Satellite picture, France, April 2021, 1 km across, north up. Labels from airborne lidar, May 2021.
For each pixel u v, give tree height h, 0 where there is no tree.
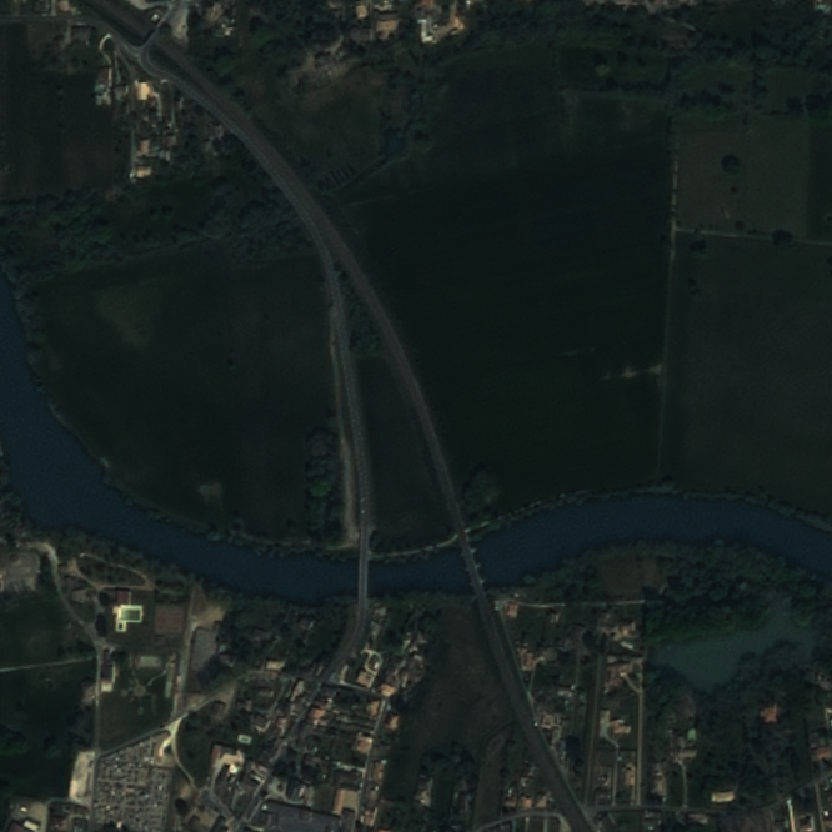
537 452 0
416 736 0
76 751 9
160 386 0
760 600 22
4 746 17
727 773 6
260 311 0
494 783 0
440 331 0
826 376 0
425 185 0
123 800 0
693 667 0
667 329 0
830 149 0
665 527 0
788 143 0
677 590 21
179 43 0
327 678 0
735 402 0
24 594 20
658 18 9
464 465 0
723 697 19
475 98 0
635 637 0
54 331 0
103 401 0
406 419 0
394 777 0
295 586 0
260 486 0
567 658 8
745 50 21
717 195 0
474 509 10
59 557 10
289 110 0
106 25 0
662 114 0
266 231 11
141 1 0
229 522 0
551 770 0
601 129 0
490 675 0
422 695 7
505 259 0
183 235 17
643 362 0
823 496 0
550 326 0
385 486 0
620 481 0
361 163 0
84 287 0
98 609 0
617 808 0
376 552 12
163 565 6
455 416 0
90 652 12
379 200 0
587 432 0
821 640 12
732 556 22
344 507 10
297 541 10
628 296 0
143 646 0
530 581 14
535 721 0
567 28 26
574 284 0
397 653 19
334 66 8
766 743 14
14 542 14
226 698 0
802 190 0
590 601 14
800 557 0
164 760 0
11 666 0
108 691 0
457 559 0
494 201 0
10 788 14
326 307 0
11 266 17
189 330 0
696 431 0
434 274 0
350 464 0
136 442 0
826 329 0
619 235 0
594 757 0
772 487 0
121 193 8
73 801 0
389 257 0
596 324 0
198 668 0
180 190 0
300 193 0
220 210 14
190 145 7
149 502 0
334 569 0
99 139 0
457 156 0
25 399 0
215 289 0
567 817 0
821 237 0
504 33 25
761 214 0
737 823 18
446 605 17
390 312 6
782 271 0
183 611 0
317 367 0
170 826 0
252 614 17
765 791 12
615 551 18
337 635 7
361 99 0
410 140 0
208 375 0
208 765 0
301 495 0
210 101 0
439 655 15
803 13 13
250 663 25
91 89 0
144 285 0
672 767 9
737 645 0
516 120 0
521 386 0
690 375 0
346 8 8
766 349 0
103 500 0
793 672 11
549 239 0
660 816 8
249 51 0
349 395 0
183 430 0
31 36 0
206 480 0
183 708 0
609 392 0
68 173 0
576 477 0
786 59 11
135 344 0
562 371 0
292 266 0
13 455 0
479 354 0
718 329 0
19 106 0
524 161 0
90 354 0
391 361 6
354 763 7
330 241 0
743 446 0
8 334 0
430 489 0
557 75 7
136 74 0
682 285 0
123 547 12
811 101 0
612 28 22
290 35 7
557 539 0
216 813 0
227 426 0
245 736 0
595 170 0
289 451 0
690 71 15
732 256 0
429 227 0
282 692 0
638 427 0
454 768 7
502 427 0
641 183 0
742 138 0
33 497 0
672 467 0
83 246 15
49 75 0
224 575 0
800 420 0
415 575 0
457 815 9
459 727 0
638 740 0
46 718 0
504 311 0
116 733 0
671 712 19
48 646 0
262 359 0
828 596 23
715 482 0
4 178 0
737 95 9
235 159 12
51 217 16
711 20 7
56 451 0
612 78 0
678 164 7
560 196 0
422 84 14
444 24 8
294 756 10
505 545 0
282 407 0
